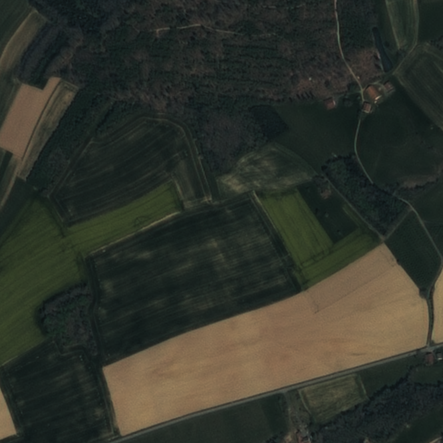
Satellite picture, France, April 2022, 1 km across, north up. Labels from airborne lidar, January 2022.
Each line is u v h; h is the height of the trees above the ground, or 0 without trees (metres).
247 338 0
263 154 0
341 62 25
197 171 0
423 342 0
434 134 0
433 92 0
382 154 0
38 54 31
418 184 0
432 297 6
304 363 0
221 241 0
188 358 0
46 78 15
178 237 0
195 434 0
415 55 0
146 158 0
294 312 0
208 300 0
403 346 0
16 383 0
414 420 17
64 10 9
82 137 16
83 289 18
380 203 16
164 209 0
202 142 18
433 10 0
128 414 0
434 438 0
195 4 34
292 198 0
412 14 0
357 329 0
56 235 0
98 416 0
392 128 0
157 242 0
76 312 27
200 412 0
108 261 0
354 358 0
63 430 0
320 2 9
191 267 0
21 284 0
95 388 0
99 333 0
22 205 0
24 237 0
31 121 0
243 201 0
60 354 0
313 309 0
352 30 16
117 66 16
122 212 0
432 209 0
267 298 0
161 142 0
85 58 17
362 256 0
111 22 34
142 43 13
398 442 0
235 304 0
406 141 0
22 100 0
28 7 0
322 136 0
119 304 0
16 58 0
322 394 0
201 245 0
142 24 8
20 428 0
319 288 0
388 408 22
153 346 0
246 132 21
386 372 0
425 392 25
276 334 0
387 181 0
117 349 0
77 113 13
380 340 0
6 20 0
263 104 14
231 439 0
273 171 0
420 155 0
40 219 0
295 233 0
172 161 0
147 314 0
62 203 0
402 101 0
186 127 0
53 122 0
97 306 0
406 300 0
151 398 0
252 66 13
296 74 18
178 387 0
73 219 0
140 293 0
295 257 0
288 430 0
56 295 0
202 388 0
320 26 6
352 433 22
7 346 0
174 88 6
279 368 0
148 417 0
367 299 0
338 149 0
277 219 0
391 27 0
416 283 0
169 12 11
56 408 0
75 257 0
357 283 0
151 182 0
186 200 0
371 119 0
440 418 0
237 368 0
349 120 0
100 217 0
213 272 0
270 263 0
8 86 0
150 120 0
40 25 0
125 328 0
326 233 0
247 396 0
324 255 0
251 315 0
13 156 0
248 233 0
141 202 0
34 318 0
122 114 16
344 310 0
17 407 0
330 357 0
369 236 0
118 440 0
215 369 0
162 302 0
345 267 0
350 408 0
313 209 0
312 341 0
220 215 0
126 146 0
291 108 0
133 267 0
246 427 0
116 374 0
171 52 14
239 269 0
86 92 10
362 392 0
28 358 0
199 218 0
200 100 10
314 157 0
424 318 0
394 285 0
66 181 0
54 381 0
